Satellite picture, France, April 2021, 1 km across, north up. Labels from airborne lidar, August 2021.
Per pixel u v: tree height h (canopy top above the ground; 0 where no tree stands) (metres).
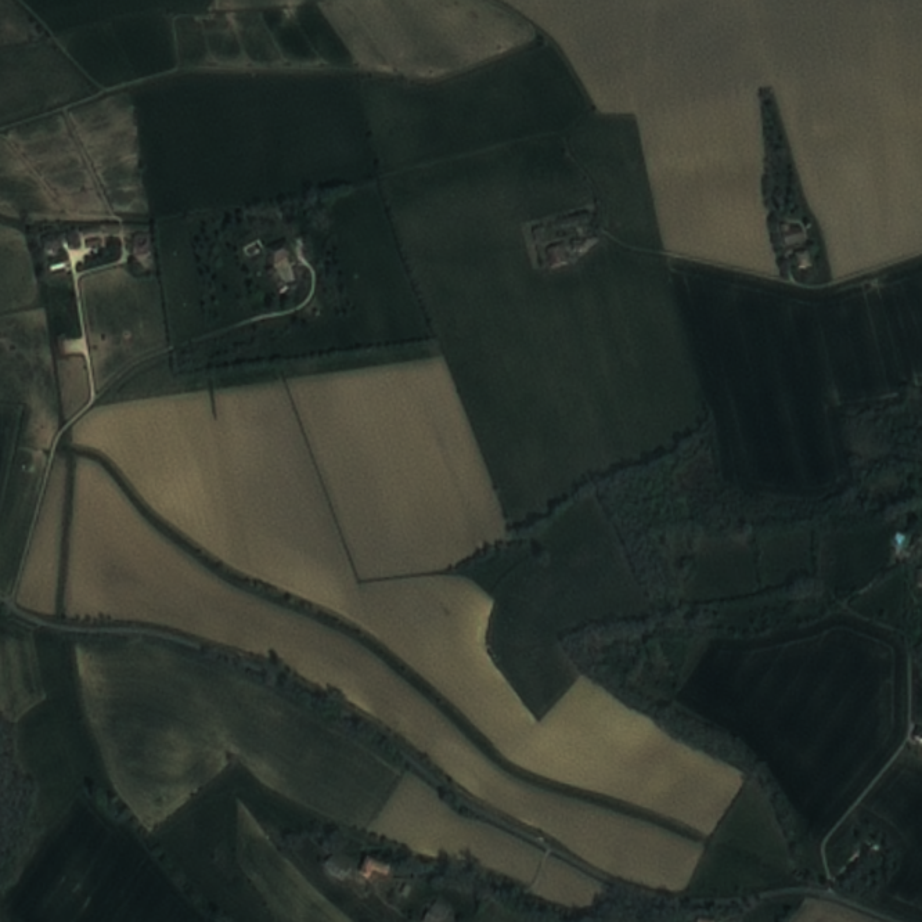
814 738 0
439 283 0
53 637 0
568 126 0
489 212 0
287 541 0
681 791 0
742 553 0
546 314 0
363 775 0
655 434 0
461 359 0
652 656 15
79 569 0
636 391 0
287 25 0
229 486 0
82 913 0
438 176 0
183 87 0
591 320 0
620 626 15
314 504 0
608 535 0
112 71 0
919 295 0
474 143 0
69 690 0
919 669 0
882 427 6
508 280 0
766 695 0
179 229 0
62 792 0
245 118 0
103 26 0
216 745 0
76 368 0
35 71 0
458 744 0
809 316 0
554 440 0
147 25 0
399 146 0
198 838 0
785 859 0
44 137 0
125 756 0
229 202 0
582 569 0
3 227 0
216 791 0
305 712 0
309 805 0
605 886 0
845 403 0
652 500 16
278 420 0
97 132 0
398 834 0
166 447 0
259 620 0
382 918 0
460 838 0
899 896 0
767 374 0
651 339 0
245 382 0
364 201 0
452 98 0
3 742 13
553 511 11
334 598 0
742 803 0
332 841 15
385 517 0
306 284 7
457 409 0
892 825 0
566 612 0
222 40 0
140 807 0
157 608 0
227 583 0
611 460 0
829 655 0
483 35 0
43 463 0
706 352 0
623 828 0
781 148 13
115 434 0
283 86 0
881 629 0
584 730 0
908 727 0
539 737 0
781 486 0
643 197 0
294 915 0
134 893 0
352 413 0
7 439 0
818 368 0
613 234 0
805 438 0
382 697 0
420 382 0
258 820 0
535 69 0
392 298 0
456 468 0
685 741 23
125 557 0
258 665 0
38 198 0
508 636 0
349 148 0
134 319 0
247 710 0
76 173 0
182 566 0
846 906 0
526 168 0
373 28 0
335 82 0
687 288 0
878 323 0
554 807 0
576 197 0
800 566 0
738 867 0
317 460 0
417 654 0
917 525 17
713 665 0
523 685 0
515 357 0
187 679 0
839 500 7
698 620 17
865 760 0
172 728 0
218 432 0
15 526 0
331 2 0
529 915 12
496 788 0
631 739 0
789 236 0
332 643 0
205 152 0
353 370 0
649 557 18
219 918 18
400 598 0
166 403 0
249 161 0
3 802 17
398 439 0
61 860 0
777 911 0
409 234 0
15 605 0
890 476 6
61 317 0
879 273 0
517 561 0
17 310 0
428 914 0
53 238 0
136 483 0
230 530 0
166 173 0
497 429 0
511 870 0
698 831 0
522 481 0
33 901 0
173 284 0
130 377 0
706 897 0
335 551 0
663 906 10
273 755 0
